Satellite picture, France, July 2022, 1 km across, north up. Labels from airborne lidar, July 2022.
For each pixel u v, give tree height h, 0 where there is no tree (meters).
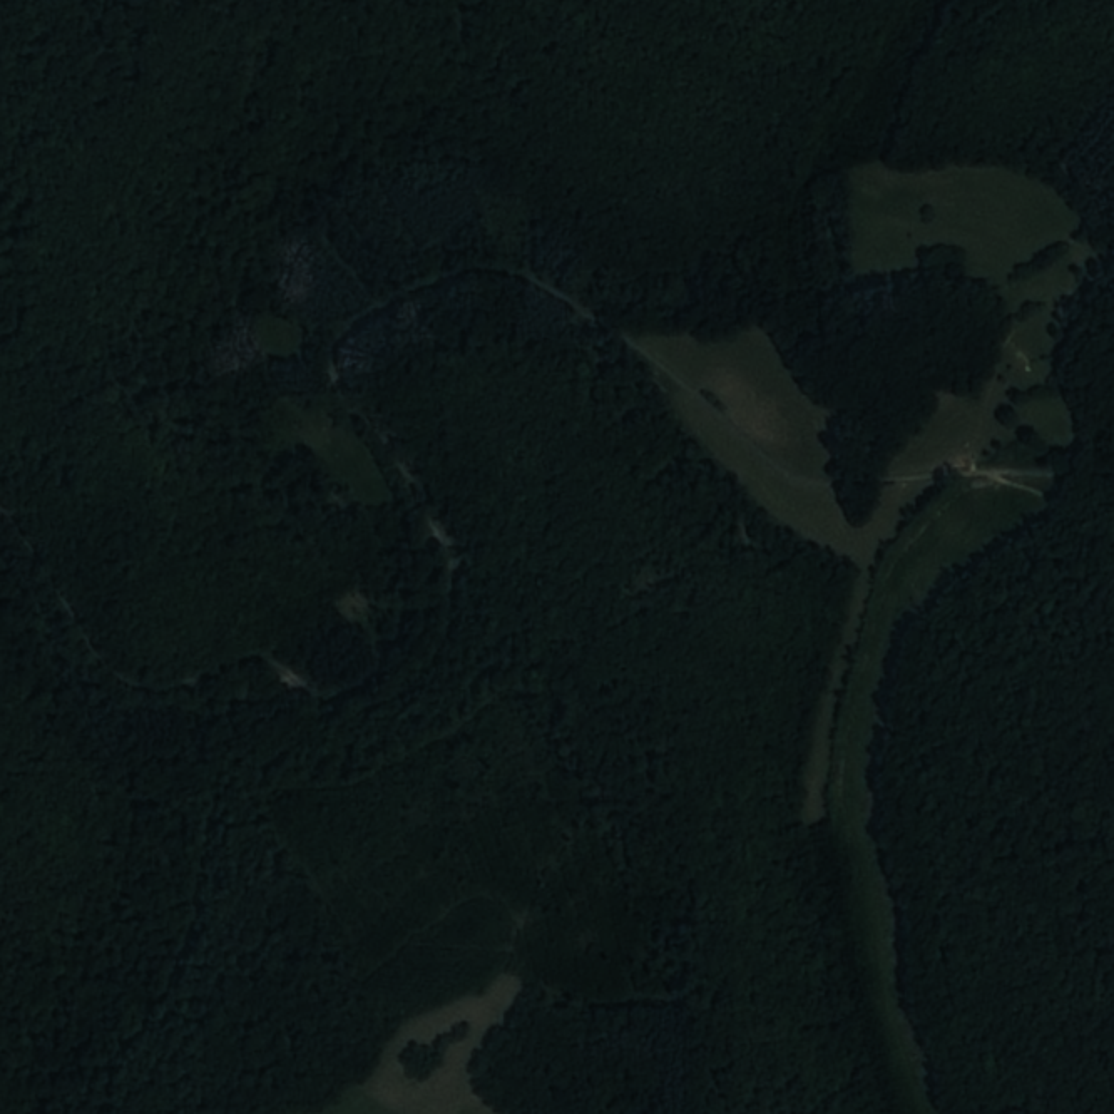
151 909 21
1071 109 17
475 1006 0
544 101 22
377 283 35
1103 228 23
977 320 23
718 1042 18
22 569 28
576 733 25
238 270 20
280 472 26
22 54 17
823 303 22
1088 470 21
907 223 0
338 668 35
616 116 17
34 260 19
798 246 11
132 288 13
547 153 18
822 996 13
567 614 18
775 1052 19
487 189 23
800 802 11
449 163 25
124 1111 18
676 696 22
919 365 23
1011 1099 19
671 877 16
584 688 24
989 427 0
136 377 29
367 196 20
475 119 23
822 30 20
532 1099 20
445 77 22
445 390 16
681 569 14
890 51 8
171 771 19
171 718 32
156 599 15
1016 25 16
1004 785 20
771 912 13
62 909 18
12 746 20
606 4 19
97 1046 21
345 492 24
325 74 19
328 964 16
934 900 17
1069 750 19
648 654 15
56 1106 25
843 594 17
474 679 17
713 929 19
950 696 22
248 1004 19
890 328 23
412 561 21
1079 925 19
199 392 26
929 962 22
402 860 7
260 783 18
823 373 29
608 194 19
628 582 11
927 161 18
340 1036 18
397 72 18
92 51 26
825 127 16
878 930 0
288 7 23
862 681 0
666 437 22
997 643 23
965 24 20
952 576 19
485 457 18
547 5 19
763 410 0
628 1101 13
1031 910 21
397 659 26
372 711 21
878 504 17
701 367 0
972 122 18
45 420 13
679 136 17
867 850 0
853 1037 19
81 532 19
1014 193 0
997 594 25
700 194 16
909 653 19
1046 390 9
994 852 19
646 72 16
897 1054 0
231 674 28
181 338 24
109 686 23
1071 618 21
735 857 21
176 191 23
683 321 26
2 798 19
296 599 19
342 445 0
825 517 0
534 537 12
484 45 26
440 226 25
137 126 16
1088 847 19
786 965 21
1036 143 21
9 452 10
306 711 25
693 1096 20
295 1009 19
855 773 0
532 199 24
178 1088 19
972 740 22
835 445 26
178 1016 23
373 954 5
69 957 21
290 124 23
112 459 13
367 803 7
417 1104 0
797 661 19
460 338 10
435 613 25
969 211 0
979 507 0
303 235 24
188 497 24
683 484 23
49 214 17
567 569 17
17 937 19
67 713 28
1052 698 16
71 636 29
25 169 20
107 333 14
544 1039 20
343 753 7
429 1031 0
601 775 16
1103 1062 18
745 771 23
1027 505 0
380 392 20
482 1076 15
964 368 28
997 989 14
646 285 14
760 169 20
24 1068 11
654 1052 25
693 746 17
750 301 17
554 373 22
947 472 17
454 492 20
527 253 7
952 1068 17
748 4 18
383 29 20
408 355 22
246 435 32
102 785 20
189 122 18
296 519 22
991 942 20
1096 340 23
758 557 21
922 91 18
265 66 20
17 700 24
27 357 19
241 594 18
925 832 21
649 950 8
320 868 6
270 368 21
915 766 18
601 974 7
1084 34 14
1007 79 13
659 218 18
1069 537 18
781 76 19
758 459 0
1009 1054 18
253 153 26
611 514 13
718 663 16
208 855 17
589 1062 22
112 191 17
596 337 24
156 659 17
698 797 19
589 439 16
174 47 18
